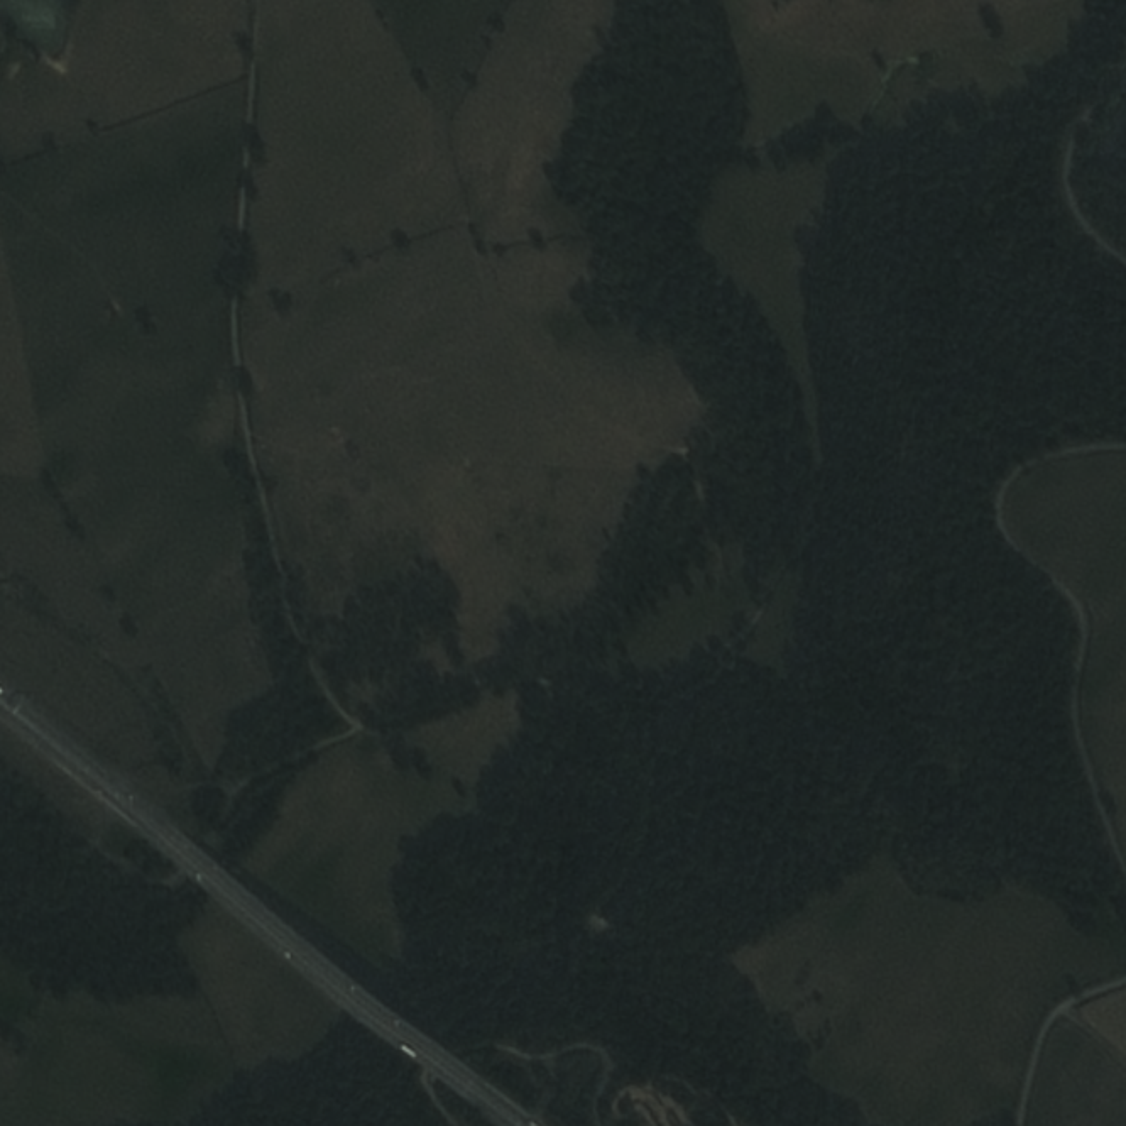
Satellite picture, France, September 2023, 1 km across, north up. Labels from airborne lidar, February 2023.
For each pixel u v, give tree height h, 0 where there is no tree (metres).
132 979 21
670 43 18
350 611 14
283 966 0
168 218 0
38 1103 0
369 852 0
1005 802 18
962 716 15
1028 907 0
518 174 0
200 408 0
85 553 0
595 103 15
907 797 22
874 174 12
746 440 18
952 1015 0
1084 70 19
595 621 6
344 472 0
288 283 0
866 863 13
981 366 23
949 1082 0
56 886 8
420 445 0
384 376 0
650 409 0
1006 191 19
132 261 0
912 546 7
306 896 0
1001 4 0
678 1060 11
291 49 0
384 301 0
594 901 13
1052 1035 0
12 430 0
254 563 14
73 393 0
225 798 7
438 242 0
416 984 23
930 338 11
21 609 0
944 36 0
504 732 0
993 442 17
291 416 0
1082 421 10
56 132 0
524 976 13
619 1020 9
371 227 0
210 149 0
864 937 0
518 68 0
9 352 0
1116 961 0
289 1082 23
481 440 0
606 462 0
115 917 18
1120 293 10
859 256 14
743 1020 15
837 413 14
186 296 0
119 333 0
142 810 0
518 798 13
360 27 0
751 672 6
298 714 23
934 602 10
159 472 0
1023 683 16
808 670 15
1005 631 11
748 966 0
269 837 0
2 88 0
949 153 9
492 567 0
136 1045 0
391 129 0
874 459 14
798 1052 17
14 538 0
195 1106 0
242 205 0
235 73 0
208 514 0
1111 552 0
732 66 19
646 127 20
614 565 17
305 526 0
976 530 14
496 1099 0
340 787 0
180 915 8
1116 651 0
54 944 8
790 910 13
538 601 0
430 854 21
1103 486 0
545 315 0
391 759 20
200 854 0
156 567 0
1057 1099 0
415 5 0
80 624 0
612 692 19
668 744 22
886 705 7
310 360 0
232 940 0
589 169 21
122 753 0
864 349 11
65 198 0
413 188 0
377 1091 8
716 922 13
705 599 0
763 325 16
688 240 7
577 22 0
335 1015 0
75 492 0
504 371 0
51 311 0
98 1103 0
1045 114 12
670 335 14
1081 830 10
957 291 9
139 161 0
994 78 0
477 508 0
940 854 17
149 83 0
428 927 8
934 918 0
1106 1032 0
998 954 0
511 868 21
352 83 0
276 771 8
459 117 0
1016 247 8
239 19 0
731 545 0
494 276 0
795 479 21
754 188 0
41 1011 0
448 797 0
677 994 17
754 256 0
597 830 22
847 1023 0
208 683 0
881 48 0
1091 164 24
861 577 8
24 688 0
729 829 21
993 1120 0
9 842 10
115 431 0
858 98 0
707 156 23
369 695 0
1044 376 9
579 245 0
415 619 19
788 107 0
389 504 0
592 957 25
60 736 0
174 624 0
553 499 0
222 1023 0
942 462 17
